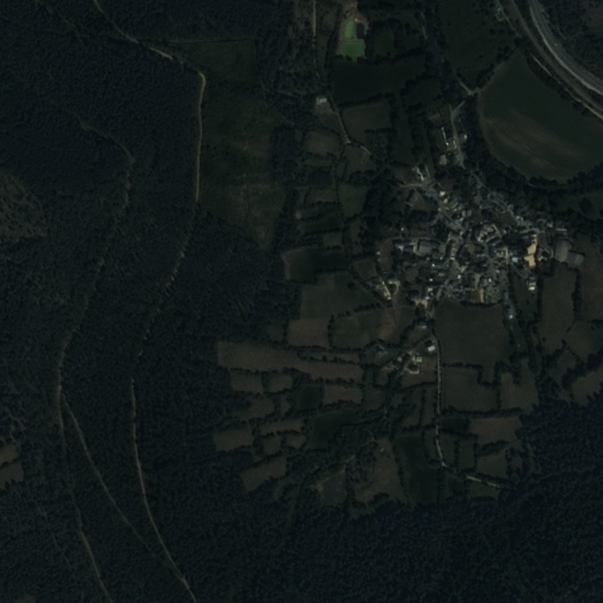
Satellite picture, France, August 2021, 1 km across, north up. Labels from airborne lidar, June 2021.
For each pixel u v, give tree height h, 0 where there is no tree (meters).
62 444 24
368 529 20
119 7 31
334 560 21
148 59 24
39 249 18
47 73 27
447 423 0
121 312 28
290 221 22
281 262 18
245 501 26
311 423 9
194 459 20
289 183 10
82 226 28
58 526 15
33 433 20
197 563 30
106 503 28
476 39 0
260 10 21
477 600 19
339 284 0
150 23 25
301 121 17
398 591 19
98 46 27
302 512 12
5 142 16
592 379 0
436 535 22
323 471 6
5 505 14
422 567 17
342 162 6
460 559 20
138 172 24
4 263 12
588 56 7
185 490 24
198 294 24
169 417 30
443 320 0
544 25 0
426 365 0
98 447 30
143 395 24
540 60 10
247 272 21
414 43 0
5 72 14
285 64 14
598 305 0
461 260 10
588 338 0
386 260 0
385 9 18
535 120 0
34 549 17
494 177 21
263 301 14
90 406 29
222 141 6
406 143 0
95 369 27
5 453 0
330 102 10
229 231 23
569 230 13
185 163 23
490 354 0
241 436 0
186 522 28
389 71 0
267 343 10
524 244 14
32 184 19
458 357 0
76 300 25
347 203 0
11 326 21
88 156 23
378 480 0
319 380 8
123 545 25
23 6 29
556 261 11
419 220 13
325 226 0
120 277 34
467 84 9
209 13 22
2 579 15
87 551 19
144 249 24
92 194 22
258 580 32
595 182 27
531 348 10
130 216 26
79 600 13
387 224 11
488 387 11
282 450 9
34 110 17
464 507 15
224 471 18
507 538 7
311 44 14
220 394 15
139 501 24
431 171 0
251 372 9
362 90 0
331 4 5
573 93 11
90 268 29
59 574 13
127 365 27
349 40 0
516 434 0
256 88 12
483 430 0
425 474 0
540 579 14
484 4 8
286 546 17
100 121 27
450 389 0
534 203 11
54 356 25
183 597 28
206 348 25
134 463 22
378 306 9
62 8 27
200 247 21
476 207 8
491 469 0
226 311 26
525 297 0
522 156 0
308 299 0
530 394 0
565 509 9
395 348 10
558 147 0
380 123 0
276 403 8
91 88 27
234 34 24
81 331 18
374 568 23
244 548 10
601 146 0
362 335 0
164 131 25
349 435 8
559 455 15
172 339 25
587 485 21
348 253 7
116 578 25
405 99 8
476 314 0
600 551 15
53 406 25
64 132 24
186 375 13
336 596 15
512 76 0
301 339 0
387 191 19
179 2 21
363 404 6
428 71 16
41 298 17
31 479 17
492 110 0
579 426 21
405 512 19
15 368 19
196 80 25
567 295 0
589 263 0
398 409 7
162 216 26
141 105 29
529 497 8
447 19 0
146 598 23
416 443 0
